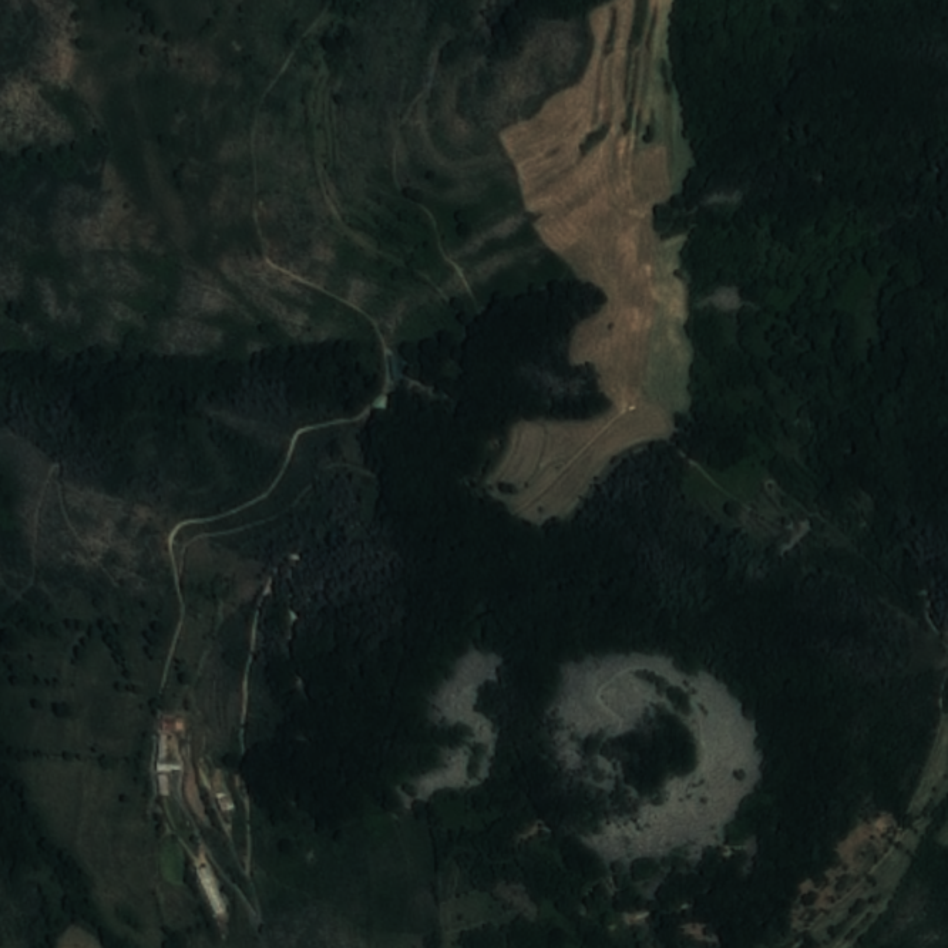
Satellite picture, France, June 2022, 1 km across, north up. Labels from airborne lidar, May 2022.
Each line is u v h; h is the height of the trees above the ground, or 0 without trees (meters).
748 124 16
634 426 0
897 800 7
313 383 28
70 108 0
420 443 18
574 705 0
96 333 0
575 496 0
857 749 11
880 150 17
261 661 16
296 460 0
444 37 0
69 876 15
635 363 0
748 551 36
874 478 11
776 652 16
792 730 18
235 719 0
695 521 11
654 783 8
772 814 12
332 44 11
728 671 17
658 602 21
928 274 18
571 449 0
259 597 8
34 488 0
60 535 0
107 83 0
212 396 9
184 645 0
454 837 13
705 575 26
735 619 18
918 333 28
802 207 22
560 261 0
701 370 8
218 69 0
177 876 0
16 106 0
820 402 14
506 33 13
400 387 7
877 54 25
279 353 15
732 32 18
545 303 21
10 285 0
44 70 0
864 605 18
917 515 20
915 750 9
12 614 12
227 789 0
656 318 0
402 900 0
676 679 0
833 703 14
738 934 21
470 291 0
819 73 25
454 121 0
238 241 0
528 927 9
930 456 19
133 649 0
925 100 23
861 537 7
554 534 19
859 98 25
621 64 0
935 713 5
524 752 9
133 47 0
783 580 21
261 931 9
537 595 22
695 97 15
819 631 15
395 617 22
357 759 19
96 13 0
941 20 28
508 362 19
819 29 8
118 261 0
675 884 13
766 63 11
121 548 0
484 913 0
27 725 0
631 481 15
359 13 6
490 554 19
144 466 0
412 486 27
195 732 0
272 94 0
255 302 0
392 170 0
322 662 20
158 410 11
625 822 7
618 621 17
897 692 6
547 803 14
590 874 21
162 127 0
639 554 14
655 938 7
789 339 10
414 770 12
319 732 17
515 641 22
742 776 10
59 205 0
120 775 0
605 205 0
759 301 21
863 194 18
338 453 13
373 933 0
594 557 19
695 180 14
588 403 16
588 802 7
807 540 9
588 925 19
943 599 9
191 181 0
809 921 7
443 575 19
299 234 0
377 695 17
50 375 20
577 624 19
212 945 0
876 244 14
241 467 6
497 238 0
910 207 19
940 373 11
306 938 0
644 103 0
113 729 0
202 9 0
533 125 0
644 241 0
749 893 17
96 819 0
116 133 0
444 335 15
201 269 0
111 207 0
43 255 0
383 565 16
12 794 13
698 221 8
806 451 8
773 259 13
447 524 17
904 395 21
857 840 0
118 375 26
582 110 0
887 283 6
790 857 20
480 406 19
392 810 15
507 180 0
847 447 18
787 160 25
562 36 0
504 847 8
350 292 0
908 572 16
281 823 6
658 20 0
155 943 0
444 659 19
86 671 0
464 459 20
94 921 15
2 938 8
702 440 16
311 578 16
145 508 0
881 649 13
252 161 0
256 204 0
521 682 19
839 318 21
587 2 11
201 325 0
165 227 0
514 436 0
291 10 0
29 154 14
